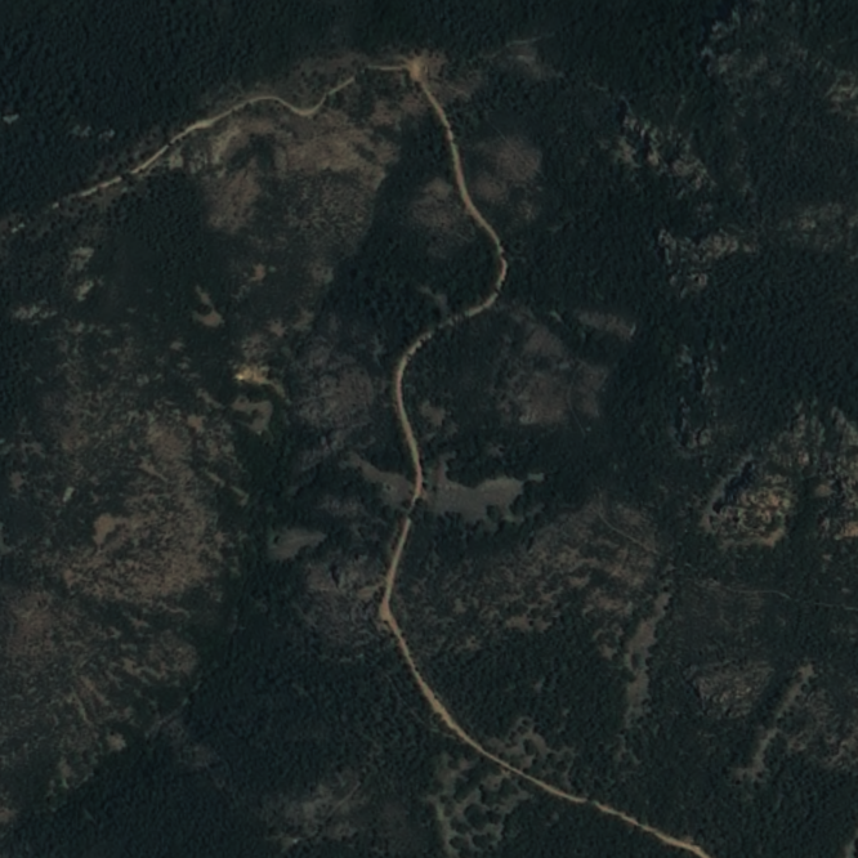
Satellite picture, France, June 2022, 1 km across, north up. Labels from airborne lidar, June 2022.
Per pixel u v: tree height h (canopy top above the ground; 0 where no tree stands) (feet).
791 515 34
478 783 24
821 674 23
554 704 56
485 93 37
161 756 29
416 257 21
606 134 21
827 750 22
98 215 35
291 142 0
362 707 25
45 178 43
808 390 20
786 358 44
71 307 30
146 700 26
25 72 49
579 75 49
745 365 20
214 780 36
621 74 23
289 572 20
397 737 65
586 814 30
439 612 21
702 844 26
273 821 18
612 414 28
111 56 57
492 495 0
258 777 50
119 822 46
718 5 41
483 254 29
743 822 55
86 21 21
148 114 58
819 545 33
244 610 30
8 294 39
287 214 18
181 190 44
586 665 24
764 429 43
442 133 44
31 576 20
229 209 0
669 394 31
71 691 20
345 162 0
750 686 26
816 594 26
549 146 33
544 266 34
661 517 24
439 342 43
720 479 20
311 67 0
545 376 0
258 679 39
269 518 21
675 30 48
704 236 22
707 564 41
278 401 41
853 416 20
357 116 26
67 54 65
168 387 21
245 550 23
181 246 51
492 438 34
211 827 40
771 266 46
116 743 0
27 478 32
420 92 24
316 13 37
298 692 54
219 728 45
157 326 24
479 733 25
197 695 52
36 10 18
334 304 28
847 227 30
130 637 21
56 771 19
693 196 28
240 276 24
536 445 47
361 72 23
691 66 31
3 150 63
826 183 37
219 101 19
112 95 64
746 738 23
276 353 18
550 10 20
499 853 36
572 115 22
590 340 31
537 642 36
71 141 41
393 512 30
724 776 34
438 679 33
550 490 24
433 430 25
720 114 22
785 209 34
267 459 27
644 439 48
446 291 29
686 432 22
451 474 35
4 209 51
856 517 26
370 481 21
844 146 35
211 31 49
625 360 29
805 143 26
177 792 43
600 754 27
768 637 17
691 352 23
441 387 19
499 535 28
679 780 28
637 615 30
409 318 59
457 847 42
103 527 0
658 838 26
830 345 60
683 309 24
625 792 24
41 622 0
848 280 41
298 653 23
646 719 37
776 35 48
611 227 24
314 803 0
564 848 27
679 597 25
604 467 20
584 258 21
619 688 28
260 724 37
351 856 57
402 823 19
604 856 32
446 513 0
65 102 62
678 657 22
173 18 58
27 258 30
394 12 43
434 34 30
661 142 44
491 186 0
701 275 38
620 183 36
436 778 54
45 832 48
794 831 42
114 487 18
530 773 48
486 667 50
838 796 52
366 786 59
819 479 32
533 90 53
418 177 32
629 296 22
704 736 24
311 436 21
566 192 25
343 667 30
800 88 35
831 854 40
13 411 44
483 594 22
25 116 54
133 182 47
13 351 58
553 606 29
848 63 23
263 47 21
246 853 45
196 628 29
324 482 41
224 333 29
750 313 46
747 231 21
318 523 20
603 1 19
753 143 26
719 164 44
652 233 23
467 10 58
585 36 34
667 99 28
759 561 19
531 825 32
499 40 54
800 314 58
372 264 32
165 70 33
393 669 67
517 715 30
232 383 33
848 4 70
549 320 21
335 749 50
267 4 22
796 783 49
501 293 43
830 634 31
